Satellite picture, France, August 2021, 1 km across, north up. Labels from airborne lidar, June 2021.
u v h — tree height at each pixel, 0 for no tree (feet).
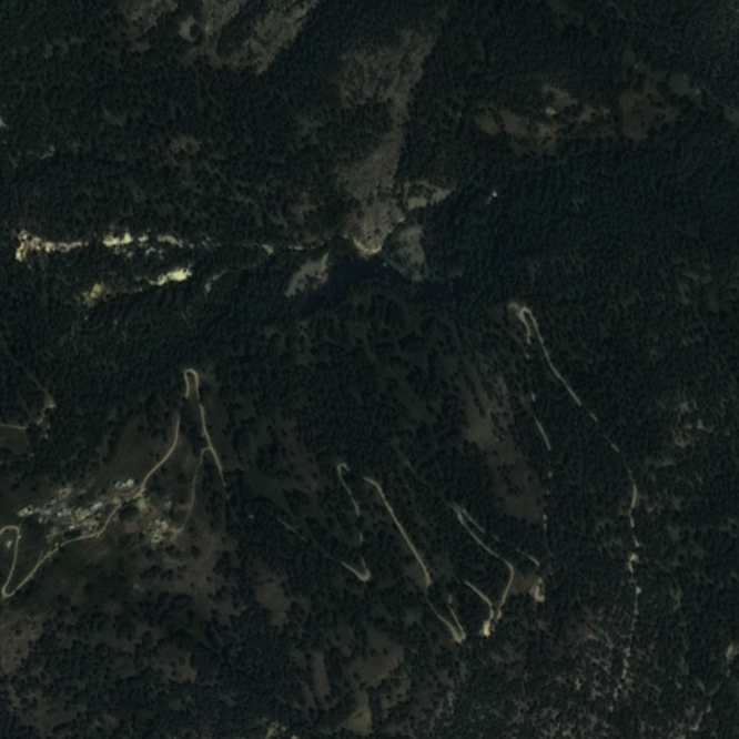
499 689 58
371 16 37
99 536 0
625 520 51
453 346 38
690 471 53
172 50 66
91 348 53
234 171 68
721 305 18
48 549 0
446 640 0
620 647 45
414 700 36
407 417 44
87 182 67
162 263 26
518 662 30
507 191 57
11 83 58
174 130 74
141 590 0
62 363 63
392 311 60
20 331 92
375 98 29
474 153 21
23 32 24
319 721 24
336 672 48
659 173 90
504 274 72
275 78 69
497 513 50
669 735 34
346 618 57
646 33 58
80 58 45
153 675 62
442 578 22
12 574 0
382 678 0
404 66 27
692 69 78
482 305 64
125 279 43
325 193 61
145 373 52
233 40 36
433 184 42
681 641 52
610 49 71
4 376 75
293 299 27
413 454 63
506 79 42
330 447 63
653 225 71
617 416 35
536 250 53
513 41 57
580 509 58
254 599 37
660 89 38
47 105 49
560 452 29
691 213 79
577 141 24
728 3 28
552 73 36
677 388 27
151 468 0
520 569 26
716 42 31
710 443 45
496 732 37
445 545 45
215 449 0
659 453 53
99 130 66
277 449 53
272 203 72
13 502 0
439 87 73
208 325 31
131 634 57
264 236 58
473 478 64
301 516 42
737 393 31
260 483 0
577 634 43
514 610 73
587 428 63
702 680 50
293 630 41
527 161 73
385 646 0
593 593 55
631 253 55
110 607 0
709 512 58
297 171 80
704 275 27
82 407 52
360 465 82
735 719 47
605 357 74
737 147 77
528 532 54
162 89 80
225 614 0
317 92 75
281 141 71
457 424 63
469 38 20
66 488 29
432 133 69
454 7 22
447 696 26
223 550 0
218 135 65
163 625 59
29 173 47
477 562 23
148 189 87
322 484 0
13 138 44
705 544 44
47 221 29
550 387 48
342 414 67
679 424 32
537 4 50
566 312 67
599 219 60
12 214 51
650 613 30
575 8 34
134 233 40
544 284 46
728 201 55
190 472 0
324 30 29
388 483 49
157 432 30
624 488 51
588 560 64
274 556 43
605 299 32
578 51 74
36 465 37
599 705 25
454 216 19
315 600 56
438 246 18
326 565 68
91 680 43
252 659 66
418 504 44
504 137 44
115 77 69
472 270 52
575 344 71
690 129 34
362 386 81
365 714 0
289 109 71
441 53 76
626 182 87
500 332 71
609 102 54
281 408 36
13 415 68
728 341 28
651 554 39
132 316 28
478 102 38
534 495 0
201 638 0
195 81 70
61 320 73
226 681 55
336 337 63
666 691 49
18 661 0
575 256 38
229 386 29
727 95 64
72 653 36
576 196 60
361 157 37
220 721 41
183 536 0
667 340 56
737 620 57
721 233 62
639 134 0
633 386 70
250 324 62
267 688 85
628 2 61
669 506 44
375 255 0
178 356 74
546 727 42
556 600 50
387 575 57
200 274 61
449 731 46
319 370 52
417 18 46
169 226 67
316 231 32
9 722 60
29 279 74
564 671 51
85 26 77
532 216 53
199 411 0
